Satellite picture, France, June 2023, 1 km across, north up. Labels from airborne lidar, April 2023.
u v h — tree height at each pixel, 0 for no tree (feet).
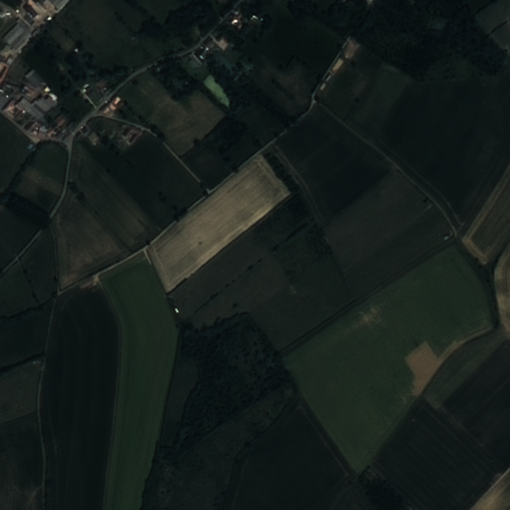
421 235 0
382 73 0
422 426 0
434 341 0
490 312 0
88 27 0
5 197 54
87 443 0
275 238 0
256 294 0
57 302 0
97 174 0
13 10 0
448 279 0
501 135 0
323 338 0
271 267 0
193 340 41
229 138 34
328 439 0
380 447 0
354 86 0
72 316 0
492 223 0
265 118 0
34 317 0
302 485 0
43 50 52
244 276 0
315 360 0
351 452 0
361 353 0
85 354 0
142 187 0
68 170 0
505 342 0
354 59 0
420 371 0
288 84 0
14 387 0
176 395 0
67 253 0
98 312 0
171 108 0
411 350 0
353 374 0
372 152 0
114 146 45
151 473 21
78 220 0
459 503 0
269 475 0
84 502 0
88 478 0
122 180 0
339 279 0
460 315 0
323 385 0
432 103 0
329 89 0
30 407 0
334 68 0
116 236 0
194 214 0
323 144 0
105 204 0
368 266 0
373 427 0
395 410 0
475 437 0
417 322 0
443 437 0
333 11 59
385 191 0
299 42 0
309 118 0
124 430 0
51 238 0
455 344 0
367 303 0
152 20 33
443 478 0
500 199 0
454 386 0
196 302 0
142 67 0
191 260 0
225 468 0
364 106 0
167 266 0
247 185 0
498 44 31
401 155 0
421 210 0
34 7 0
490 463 0
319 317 0
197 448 0
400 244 0
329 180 0
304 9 85
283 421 0
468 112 0
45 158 0
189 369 0
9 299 0
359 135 0
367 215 0
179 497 0
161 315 0
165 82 23
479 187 0
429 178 0
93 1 0
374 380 0
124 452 0
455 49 23
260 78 0
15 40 0
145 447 0
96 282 0
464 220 0
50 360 0
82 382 0
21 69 0
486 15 0
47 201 0
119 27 0
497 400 0
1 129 0
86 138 0
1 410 0
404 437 0
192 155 0
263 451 0
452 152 0
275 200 0
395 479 0
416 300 0
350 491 0
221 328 30
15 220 0
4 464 0
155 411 0
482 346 0
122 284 0
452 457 0
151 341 0
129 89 0
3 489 0
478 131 0
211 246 0
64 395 0
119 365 0
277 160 24
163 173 0
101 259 0
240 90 32
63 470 0
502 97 0
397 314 0
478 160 0
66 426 0
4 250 0
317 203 0
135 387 0
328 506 0
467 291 0
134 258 0
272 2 0
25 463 0
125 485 0
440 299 0
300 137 0
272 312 0
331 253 19
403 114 0
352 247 0
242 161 0
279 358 27
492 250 0
